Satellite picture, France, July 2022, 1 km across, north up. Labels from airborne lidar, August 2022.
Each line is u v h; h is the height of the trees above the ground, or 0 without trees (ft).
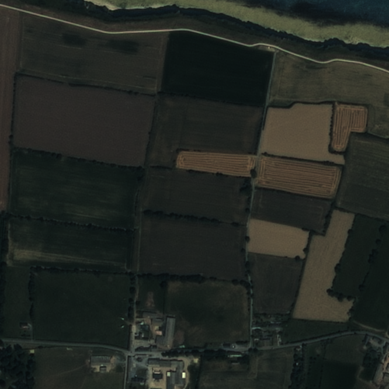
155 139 0
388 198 0
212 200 0
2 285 38
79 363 0
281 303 0
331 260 0
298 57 0
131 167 24
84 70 0
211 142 0
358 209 0
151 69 0
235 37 0
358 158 0
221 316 0
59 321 0
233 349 0
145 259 0
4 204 0
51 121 0
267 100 0
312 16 0
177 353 43
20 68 0
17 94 0
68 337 0
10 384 0
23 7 0
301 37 0
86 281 0
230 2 0
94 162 33
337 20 0
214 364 0
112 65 0
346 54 0
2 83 0
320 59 0
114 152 0
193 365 0
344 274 0
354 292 0
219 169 0
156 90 0
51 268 36
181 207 0
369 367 20
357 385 0
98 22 0
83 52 0
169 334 0
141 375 0
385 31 0
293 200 0
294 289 0
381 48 0
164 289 34
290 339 0
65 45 0
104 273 19
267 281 0
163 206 0
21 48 0
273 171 0
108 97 0
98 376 0
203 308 0
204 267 0
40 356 0
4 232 34
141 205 0
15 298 0
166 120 0
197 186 0
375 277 0
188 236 0
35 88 0
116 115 0
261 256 0
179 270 0
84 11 0
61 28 0
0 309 33
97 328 0
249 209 27
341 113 0
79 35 0
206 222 31
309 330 0
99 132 0
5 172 0
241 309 0
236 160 0
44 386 0
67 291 0
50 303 0
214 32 0
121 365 0
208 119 0
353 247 0
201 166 0
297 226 0
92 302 0
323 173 0
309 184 0
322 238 0
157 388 0
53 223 37
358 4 0
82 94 0
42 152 31
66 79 0
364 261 0
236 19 0
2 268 47
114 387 0
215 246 0
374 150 0
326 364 0
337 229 0
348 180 0
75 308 0
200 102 0
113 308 0
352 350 0
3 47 0
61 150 0
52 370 0
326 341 25
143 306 0
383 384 0
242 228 0
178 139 0
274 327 0
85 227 41
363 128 0
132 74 0
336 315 0
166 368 0
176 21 0
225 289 0
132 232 31
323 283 0
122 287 0
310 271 0
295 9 0
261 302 0
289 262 0
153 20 0
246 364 25
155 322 0
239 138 0
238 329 0
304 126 0
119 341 0
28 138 0
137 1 0
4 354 45
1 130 0
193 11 0
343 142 0
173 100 0
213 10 0
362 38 0
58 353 0
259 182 0
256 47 0
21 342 0
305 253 29
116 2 0
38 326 0
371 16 0
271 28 0
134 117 0
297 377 37
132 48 0
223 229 0
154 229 0
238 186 0
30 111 0
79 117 0
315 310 0
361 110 0
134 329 0
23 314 0
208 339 0
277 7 0
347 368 0
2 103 0
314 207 0
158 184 0
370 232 0
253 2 0
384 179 0
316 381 0
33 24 0
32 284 66
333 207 19
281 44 0
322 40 0
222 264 0
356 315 0
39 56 0
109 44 0
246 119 0
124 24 0
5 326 0
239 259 0
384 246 0
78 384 0
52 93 0
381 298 0
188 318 0
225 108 0
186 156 0
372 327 0
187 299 0
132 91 26
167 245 0
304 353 52
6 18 0
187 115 0
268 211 0
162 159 0
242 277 0
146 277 39
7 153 0
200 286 0
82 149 0
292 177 0
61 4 0
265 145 0
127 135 0
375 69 0
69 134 0
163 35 0
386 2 0
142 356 0
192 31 0
